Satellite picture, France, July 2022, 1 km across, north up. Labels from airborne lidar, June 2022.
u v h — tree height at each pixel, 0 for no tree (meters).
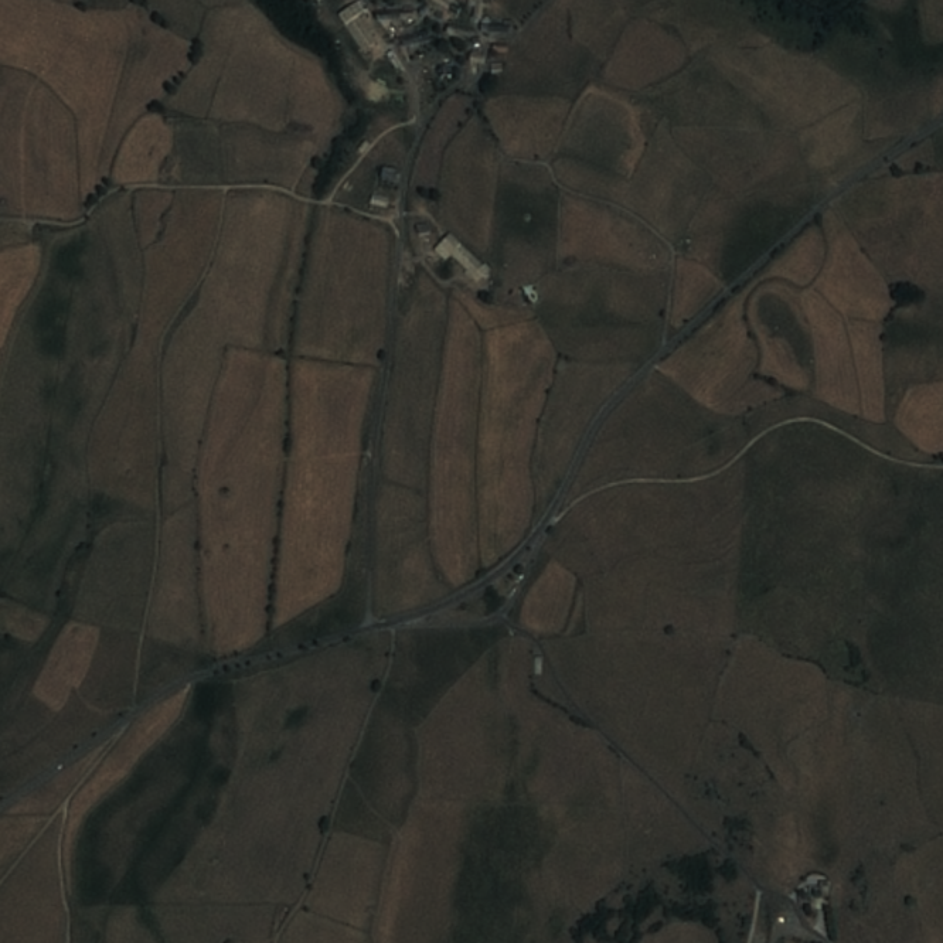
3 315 0
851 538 0
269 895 0
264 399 0
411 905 0
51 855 0
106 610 0
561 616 0
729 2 0
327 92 0
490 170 0
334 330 0
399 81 7
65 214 0
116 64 0
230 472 0
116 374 0
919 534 0
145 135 0
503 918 0
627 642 0
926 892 0
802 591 0
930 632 0
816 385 0
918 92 0
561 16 0
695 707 0
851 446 0
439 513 0
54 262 0
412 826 0
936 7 0
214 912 0
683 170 0
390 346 0
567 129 0
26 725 0
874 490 0
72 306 0
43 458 0
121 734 0
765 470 0
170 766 0
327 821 9
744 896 0
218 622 0
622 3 0
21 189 0
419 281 0
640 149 0
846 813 0
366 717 0
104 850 0
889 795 0
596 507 0
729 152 0
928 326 0
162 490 0
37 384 0
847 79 0
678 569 0
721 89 0
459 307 0
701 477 0
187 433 0
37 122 0
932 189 0
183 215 0
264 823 0
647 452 0
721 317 0
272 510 0
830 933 9
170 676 0
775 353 0
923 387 0
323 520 0
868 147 0
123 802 0
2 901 0
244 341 0
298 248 0
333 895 0
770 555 0
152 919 0
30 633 0
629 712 0
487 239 0
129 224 0
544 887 0
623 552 0
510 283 0
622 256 0
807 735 0
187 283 0
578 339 0
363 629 0
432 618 0
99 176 0
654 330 0
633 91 0
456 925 0
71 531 0
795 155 0
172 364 0
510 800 0
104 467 0
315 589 0
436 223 0
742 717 0
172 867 0
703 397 0
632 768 0
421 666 0
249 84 0
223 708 0
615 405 0
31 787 0
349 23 0
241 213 0
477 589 0
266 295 0
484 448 0
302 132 0
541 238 0
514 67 0
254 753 0
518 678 0
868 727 0
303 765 0
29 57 0
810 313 0
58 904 0
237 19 0
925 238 0
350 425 0
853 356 0
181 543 0
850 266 0
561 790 0
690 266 0
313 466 0
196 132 0
